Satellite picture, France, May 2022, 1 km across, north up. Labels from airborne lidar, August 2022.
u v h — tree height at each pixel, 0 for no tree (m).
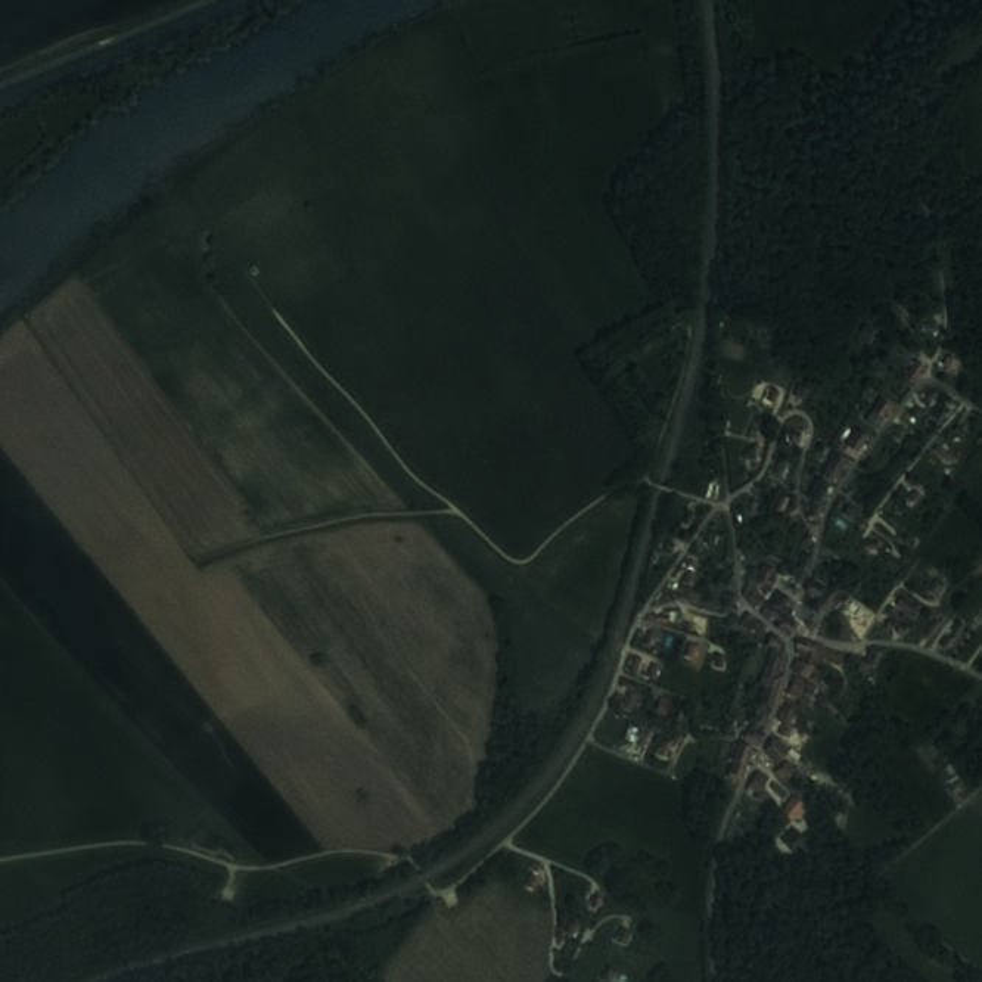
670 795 0
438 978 0
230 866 0
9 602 0
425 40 0
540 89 0
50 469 0
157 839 21
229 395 0
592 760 0
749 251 22
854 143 21
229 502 0
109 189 0
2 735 0
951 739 14
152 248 0
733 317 21
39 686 0
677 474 11
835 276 23
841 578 9
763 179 24
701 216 18
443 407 0
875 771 21
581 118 0
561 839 0
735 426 0
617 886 19
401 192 0
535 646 0
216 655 0
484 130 0
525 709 0
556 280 0
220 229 0
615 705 7
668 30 0
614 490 10
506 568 0
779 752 0
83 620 0
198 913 16
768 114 23
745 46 17
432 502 0
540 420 0
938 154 24
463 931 0
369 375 0
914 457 9
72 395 0
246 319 0
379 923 14
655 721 10
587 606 0
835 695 7
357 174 0
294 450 0
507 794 19
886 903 26
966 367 13
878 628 0
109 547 0
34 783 0
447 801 0
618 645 0
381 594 0
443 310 0
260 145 0
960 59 0
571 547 0
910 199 20
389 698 0
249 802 0
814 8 0
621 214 18
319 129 0
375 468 0
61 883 0
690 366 0
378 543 0
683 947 0
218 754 0
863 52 0
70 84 14
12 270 0
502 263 0
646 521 14
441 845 17
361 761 0
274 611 0
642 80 0
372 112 0
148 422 0
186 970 15
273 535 0
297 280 0
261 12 15
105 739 0
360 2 0
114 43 0
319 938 7
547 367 0
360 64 0
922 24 24
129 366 0
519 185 0
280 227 0
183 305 0
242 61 0
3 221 0
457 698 0
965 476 0
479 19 0
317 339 0
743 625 0
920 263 23
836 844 19
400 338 0
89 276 0
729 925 21
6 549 0
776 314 26
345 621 0
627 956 0
